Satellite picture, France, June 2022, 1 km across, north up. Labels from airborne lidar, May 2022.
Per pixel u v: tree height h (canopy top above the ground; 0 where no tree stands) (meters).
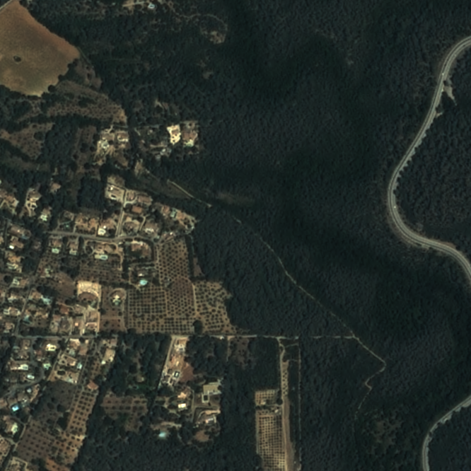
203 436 0
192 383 10
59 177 20
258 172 7
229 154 16
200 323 12
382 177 8
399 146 18
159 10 7
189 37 6
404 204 8
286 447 0
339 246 15
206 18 15
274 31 20
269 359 8
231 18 9
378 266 6
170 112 9
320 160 11
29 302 6
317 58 10
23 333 13
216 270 21
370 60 11
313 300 18
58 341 0
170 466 16
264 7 18
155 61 10
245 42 14
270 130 15
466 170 6
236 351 7
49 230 5
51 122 8
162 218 19
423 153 19
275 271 19
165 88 20
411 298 11
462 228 7
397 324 13
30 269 16
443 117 12
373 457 17
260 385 6
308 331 16
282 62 9
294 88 11
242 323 14
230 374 21
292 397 10
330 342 20
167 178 14
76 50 0
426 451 0
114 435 11
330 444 10
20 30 0
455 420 17
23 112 10
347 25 15
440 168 18
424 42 18
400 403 14
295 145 21
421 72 15
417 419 15
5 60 0
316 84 6
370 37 9
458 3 13
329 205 12
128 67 9
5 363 19
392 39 10
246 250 19
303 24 19
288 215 11
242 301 20
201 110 18
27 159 9
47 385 14
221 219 18
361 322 16
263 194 14
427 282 17
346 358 8
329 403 14
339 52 8
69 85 0
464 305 18
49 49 0
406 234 0
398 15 9
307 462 19
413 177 16
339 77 11
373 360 7
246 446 10
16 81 0
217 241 18
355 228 15
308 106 16
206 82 12
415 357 16
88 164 12
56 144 18
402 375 18
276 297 17
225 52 13
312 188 17
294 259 18
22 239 8
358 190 11
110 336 9
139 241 7
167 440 7
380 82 7
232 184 7
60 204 20
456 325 11
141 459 23
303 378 7
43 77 0
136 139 18
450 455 9
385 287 10
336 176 11
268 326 21
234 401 19
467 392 14
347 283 21
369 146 10
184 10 6
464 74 11
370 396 8
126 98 20
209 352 17
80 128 8
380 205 12
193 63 6
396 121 7
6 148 12
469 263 0
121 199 0
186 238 8
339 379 10
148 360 15
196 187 6
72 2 15
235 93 20
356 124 18
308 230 10
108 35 22
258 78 15
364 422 11
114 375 20
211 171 9
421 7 9
